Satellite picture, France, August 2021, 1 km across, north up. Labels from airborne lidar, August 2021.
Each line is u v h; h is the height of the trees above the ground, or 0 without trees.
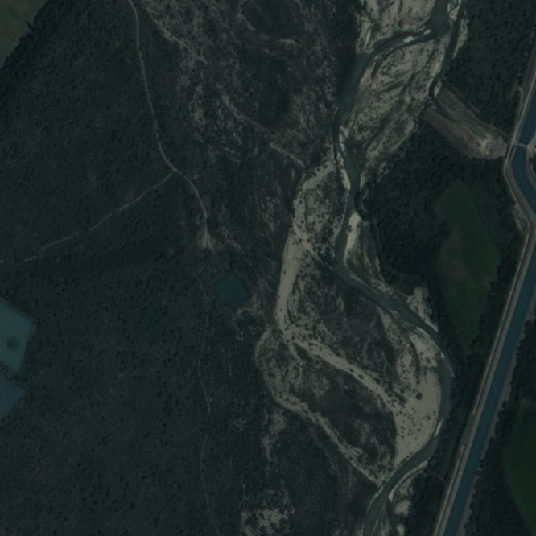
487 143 0
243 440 8
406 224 7
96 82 7
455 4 0
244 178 7
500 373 0
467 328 0
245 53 10
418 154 9
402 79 0
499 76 9
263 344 0
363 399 0
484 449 0
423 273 15
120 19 6
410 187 10
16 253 10
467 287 0
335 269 0
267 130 0
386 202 9
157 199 7
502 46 11
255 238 6
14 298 12
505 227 14
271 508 8
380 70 0
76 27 7
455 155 10
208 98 8
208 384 8
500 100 8
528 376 19
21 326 0
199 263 6
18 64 33
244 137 8
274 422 9
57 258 9
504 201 19
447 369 0
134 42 11
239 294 0
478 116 6
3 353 0
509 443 16
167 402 8
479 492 15
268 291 0
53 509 10
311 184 0
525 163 0
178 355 8
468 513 0
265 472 6
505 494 16
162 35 7
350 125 0
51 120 5
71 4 10
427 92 0
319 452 7
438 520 8
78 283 8
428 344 0
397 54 0
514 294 0
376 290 0
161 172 10
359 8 8
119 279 6
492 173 16
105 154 6
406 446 0
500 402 0
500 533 10
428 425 0
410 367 0
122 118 8
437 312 11
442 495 10
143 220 6
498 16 8
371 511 0
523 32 9
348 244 0
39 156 8
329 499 9
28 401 11
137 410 8
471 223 0
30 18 0
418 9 0
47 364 10
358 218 0
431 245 11
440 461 12
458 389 15
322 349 0
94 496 11
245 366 6
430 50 0
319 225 0
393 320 0
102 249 7
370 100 0
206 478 7
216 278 10
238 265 9
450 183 12
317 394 0
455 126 0
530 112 0
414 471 0
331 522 8
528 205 0
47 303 6
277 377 0
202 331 6
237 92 9
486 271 0
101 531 10
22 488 5
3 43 0
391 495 0
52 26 15
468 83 7
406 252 12
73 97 6
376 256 0
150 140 7
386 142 0
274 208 0
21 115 10
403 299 0
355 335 0
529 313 0
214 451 11
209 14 7
